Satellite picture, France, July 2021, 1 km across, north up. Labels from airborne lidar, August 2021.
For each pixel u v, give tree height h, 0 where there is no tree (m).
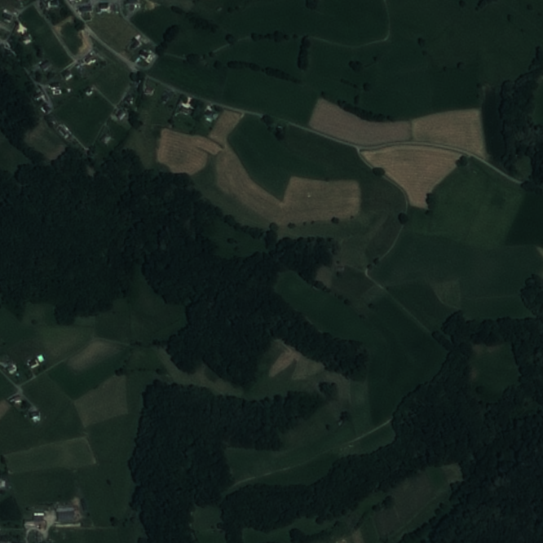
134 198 25
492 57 0
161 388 21
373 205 0
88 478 0
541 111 0
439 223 0
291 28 0
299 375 0
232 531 21
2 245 18
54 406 0
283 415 22
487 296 0
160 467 22
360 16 0
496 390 0
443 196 0
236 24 0
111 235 22
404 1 0
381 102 0
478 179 0
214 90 0
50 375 0
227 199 0
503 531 20
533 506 23
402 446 23
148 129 0
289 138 0
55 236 24
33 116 19
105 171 13
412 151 0
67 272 21
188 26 0
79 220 22
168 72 0
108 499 0
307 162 0
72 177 19
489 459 31
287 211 0
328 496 18
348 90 0
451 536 24
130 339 0
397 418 18
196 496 16
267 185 0
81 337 0
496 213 0
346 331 0
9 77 19
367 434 0
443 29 0
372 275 0
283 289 0
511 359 0
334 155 0
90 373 0
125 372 15
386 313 0
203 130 0
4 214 23
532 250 0
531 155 24
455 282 0
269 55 0
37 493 0
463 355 23
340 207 0
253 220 0
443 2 0
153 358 0
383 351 0
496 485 27
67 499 0
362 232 0
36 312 0
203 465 22
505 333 27
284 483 0
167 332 0
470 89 0
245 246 0
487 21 0
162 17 0
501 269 0
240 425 21
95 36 0
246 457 0
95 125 0
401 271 0
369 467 25
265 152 0
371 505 0
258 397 0
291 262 23
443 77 0
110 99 0
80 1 0
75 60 0
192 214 23
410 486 0
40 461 0
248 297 17
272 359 0
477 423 23
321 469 0
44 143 0
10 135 23
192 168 0
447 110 0
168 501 19
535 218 0
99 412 0
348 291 0
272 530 16
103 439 0
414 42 0
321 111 0
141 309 0
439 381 14
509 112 26
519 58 0
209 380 0
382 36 0
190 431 18
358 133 0
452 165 0
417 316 0
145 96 7
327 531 7
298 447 0
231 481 20
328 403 0
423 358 0
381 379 0
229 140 0
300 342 27
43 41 0
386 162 0
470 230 0
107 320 0
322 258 23
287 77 15
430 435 29
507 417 25
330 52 0
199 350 24
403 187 0
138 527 0
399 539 0
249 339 22
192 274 29
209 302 29
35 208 21
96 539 0
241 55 0
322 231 0
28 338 0
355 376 8
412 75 0
